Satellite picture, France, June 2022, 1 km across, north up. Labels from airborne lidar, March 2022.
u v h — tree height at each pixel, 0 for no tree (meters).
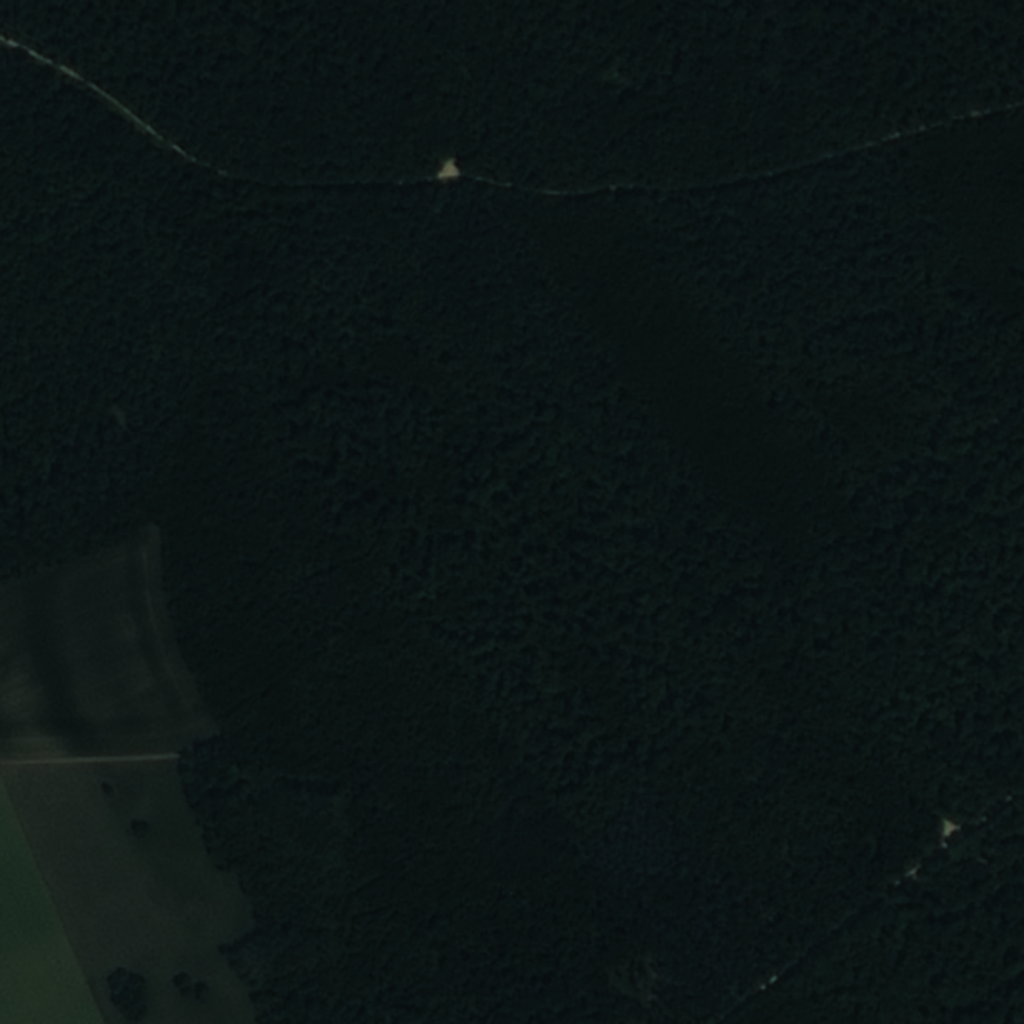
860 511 24
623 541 20
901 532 26
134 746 0
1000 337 0
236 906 0
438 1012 23
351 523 20
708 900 22
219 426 0
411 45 16
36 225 24
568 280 0
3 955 0
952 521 20
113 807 0
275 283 0
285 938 19
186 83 0
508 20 15
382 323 0
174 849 0
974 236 0
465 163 18
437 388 0
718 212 20
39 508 28
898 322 19
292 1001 17
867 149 0
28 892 0
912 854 0
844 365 0
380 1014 0
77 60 19
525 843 0
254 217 18
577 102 15
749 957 22
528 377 19
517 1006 23
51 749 0
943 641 20
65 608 0
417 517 21
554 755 22
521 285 0
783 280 21
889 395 0
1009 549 23
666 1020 0
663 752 26
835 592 23
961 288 0
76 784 0
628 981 0
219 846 18
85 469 25
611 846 22
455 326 0
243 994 0
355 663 0
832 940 22
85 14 15
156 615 0
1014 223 0
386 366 0
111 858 0
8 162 24
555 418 22
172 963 0
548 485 0
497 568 0
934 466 18
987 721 24
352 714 0
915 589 21
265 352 0
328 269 0
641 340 0
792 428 0
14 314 17
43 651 0
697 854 23
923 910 0
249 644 0
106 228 22
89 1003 0
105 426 20
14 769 0
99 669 0
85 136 24
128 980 13
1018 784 21
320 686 0
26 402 19
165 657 0
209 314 0
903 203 0
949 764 19
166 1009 0
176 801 0
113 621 0
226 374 0
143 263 22
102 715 0
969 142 0
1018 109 0
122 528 20
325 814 0
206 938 0
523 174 0
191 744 0
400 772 0
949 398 0
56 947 0
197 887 0
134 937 0
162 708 0
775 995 13
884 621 17
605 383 22
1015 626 21
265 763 17
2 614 0
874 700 21
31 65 21
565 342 23
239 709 0
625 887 23
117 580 0
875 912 23
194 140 20
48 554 23
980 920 0
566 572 22
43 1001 0
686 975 24
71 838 0
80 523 22
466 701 6
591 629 25
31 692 0
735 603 27
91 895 0
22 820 0
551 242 0
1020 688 25
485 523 0
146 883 0
